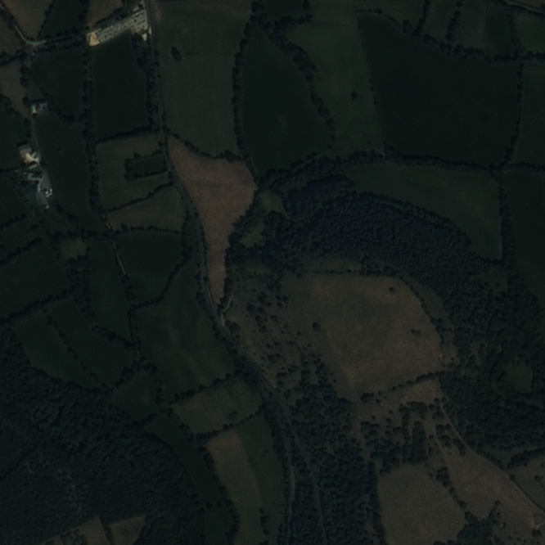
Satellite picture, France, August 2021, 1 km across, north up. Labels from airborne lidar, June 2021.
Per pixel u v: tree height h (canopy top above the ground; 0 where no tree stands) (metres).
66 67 0
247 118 0
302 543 18
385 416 0
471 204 0
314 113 0
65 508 8
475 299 16
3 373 28
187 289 0
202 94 0
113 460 28
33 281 0
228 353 13
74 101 0
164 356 0
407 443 6
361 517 8
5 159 0
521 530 0
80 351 0
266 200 0
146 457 28
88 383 0
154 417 11
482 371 8
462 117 0
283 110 0
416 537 0
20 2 0
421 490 0
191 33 0
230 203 0
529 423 12
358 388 0
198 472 0
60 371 0
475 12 0
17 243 0
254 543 0
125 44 0
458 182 0
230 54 0
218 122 0
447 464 0
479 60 9
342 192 18
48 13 10
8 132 0
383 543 7
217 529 0
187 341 0
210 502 0
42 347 0
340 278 0
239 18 0
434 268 18
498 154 0
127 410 0
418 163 13
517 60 8
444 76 0
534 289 0
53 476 7
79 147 0
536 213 0
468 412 11
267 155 0
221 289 0
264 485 0
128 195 0
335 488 13
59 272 0
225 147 0
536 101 0
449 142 0
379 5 0
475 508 0
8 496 11
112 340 23
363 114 0
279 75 0
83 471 14
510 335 16
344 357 0
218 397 0
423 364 0
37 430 23
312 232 17
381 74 0
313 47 0
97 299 0
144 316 0
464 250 17
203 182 0
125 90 0
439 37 0
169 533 25
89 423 24
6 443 11
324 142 0
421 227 20
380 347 0
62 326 0
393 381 0
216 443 0
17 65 0
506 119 0
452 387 9
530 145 0
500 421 10
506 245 14
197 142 0
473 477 0
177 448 0
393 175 0
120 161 0
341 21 0
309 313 0
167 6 0
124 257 0
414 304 0
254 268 0
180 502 25
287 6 0
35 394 29
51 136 0
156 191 9
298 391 10
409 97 0
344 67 0
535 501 0
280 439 14
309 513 13
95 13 0
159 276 0
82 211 0
